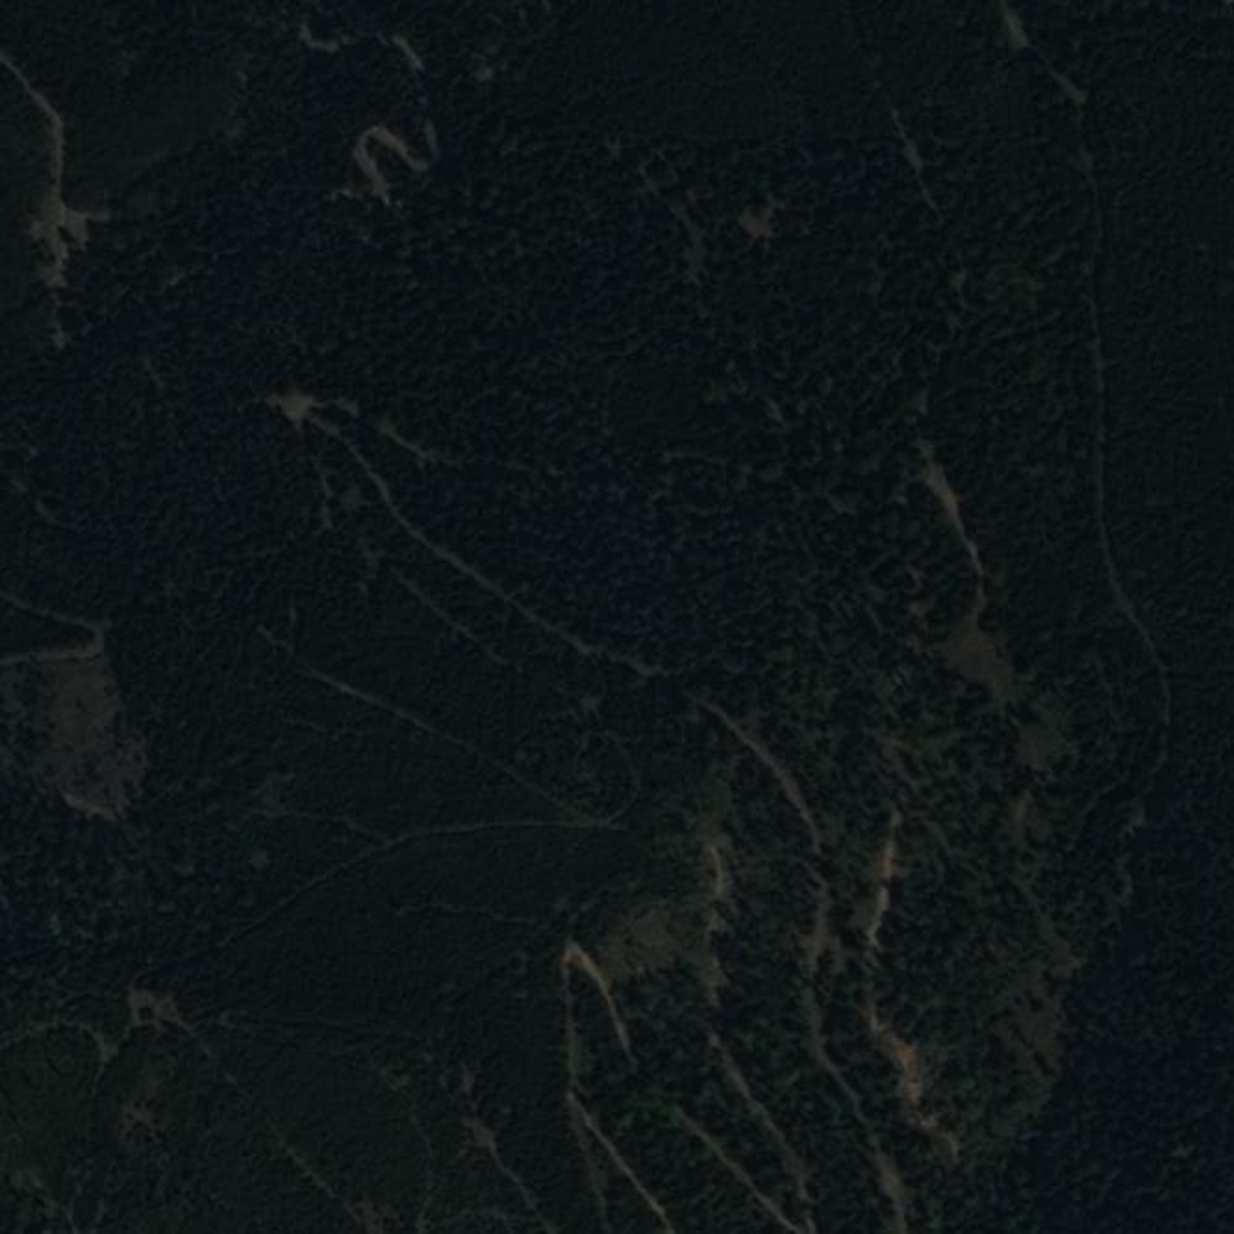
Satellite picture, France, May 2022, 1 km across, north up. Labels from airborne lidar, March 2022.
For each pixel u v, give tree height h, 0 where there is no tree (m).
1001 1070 29
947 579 13
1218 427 14
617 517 37
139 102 19
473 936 8
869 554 23
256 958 11
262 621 11
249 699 11
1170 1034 14
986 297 15
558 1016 9
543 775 11
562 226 35
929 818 35
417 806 10
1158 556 17
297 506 12
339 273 14
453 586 8
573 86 20
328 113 25
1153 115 14
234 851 9
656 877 13
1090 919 9
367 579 7
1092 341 14
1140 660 12
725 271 11
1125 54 18
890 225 21
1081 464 11
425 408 19
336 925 12
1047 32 15
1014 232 19
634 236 22
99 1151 8
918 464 22
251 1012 9
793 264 12
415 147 28
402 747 6
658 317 32
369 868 7
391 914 7
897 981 37
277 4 24
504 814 6
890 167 25
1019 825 0
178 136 19
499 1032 8
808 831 16
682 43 23
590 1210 10
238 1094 8
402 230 25
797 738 14
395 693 11
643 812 5
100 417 18
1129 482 13
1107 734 9
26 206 18
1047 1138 44
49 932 19
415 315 24
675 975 6
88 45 25
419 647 6
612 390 9
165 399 7
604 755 8
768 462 16
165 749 14
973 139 15
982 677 0
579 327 36
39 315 19
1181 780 24
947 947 33
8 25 25
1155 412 15
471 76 32
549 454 11
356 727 8
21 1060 6
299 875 9
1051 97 17
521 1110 7
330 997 12
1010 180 16
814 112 18
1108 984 33
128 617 16
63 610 25
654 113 20
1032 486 9
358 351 33
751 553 31
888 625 14
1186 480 12
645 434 10
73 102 20
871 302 11
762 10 17
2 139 21
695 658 14
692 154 16
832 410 10
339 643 10
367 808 8
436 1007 11
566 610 33
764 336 7
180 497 23
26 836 24
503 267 7
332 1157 8
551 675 13
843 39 18
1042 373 14
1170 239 13
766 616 21
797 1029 11
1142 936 22
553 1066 7
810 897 36
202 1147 7
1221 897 36
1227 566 13
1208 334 12
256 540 17
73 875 33
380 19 34
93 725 0
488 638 17
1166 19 23
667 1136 12
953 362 11
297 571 14
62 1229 6
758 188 9
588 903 8
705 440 11
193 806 6
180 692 11
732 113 21
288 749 7
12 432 24
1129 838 0
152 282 25
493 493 16
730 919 32
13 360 20
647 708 9
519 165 42
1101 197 8
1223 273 9
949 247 13
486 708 11
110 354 27
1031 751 0
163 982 17
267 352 22
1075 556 13
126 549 19
